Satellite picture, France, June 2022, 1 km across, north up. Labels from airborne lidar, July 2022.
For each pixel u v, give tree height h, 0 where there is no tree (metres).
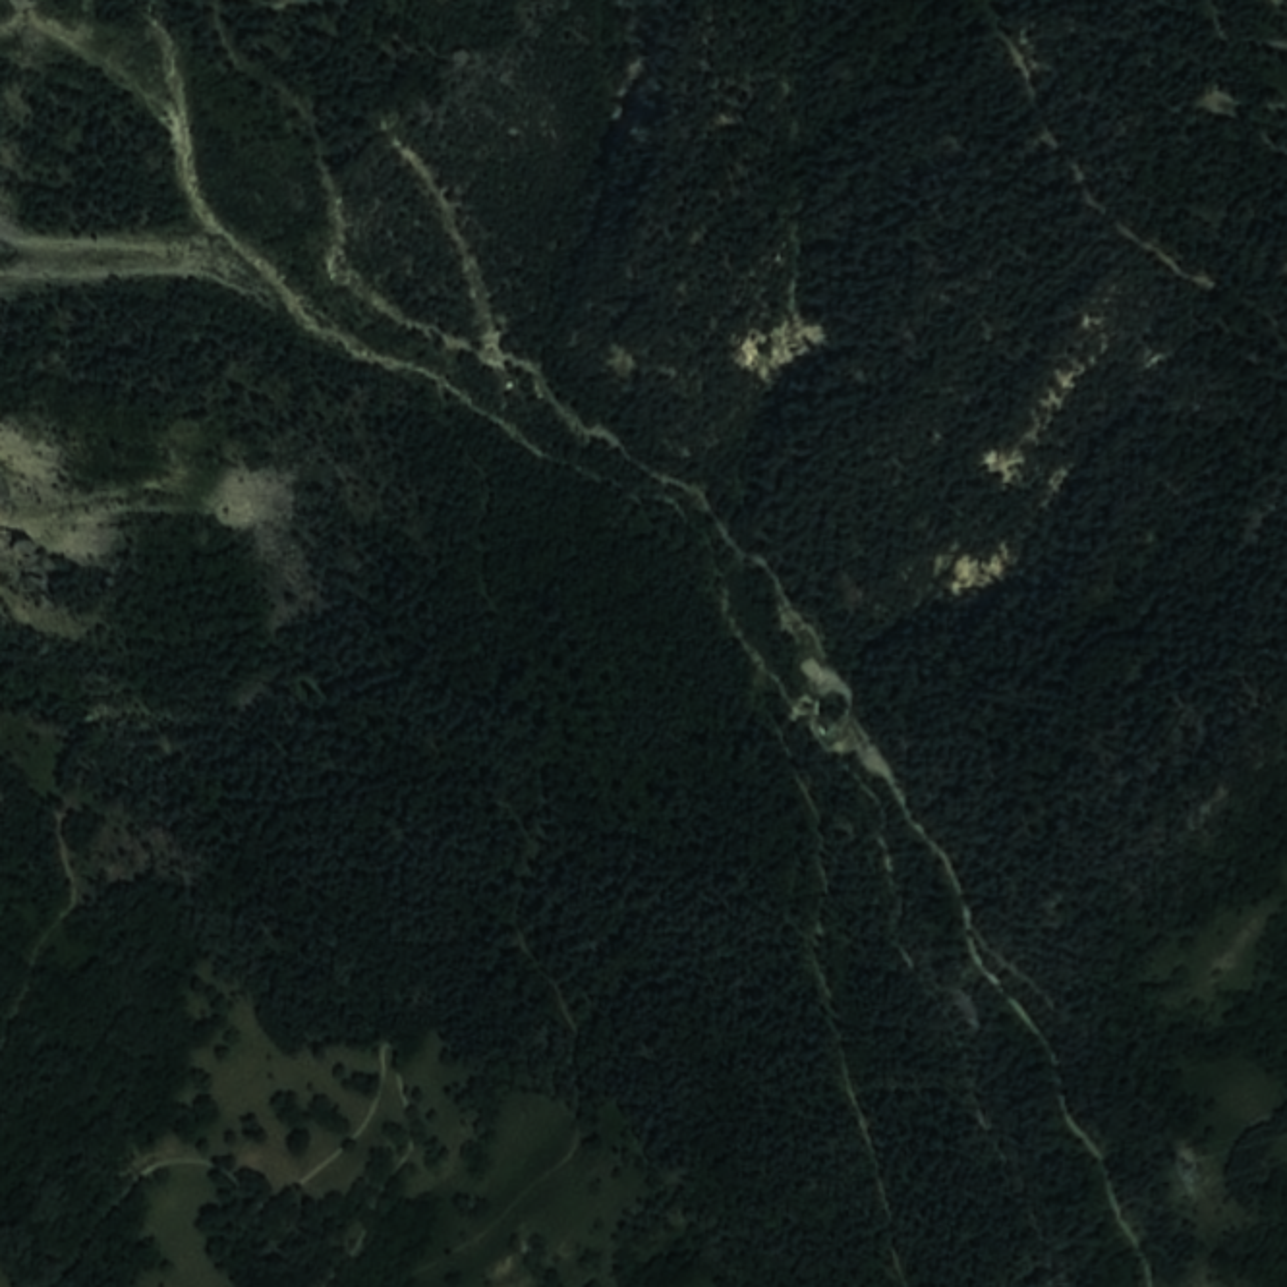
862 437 10
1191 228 25
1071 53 14
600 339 9
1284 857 13
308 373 10
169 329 26
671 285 21
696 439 12
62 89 21
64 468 7
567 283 12
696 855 21
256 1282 18
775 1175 31
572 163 12
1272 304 13
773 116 14
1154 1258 14
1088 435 13
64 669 11
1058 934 13
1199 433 19
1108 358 10
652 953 19
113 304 16
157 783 24
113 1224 19
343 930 15
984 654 22
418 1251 19
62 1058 17
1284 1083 7
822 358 24
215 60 29
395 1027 17
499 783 36
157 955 23
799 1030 20
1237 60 11
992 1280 24
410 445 12
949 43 18
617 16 15
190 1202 0
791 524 21
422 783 29
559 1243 0
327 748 29
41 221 21
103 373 27
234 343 28
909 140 14
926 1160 17
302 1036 12
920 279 16
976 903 15
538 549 22
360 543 15
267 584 7
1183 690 19
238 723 10
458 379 7
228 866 27
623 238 12
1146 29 17
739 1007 31
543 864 13
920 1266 25
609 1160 0
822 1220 9
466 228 9
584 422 12
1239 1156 15
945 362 21
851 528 24
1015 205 17
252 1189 15
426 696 38
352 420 9
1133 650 24
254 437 8
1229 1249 10
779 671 7
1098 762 21
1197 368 18
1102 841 18
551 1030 8
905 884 15
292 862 23
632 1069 21
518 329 10
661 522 15
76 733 15
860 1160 25
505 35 18
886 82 14
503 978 21
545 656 15
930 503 11
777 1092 10
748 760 43
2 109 10
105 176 30
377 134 13
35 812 14
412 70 25
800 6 11
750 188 25
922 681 9
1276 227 22
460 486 23
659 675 19
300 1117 14
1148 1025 15
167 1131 19
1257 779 10
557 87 12
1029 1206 16
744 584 6
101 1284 16
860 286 16
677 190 12
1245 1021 13
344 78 22
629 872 33
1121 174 12
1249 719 14
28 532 0
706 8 15
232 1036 11
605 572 14
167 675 17
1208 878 17
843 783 21
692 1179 15
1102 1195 10
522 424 10
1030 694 13
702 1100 17
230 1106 0
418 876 34
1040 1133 14
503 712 38
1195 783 12
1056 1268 13
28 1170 20
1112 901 9
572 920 23
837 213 11
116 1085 20
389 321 14
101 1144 22
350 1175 0
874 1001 19
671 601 20
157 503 12
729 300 17
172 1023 21
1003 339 17
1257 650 22
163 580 7
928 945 17
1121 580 7
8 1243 27
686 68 8
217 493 0
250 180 8
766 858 15
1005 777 15
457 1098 12
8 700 16
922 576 6
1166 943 14
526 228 9
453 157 10
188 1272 0
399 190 15
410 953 18
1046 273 22
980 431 16
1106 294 11
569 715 14
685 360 15
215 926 20
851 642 19
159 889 20
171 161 19
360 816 27
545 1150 0
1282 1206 14
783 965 17
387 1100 0
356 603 26
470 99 10
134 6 10
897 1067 18
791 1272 19
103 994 13
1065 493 11
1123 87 15
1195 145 11
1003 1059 21
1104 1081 10
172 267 0
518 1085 11
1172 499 23
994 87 13
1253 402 19
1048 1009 16
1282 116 8
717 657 18
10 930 16
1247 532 29
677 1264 19
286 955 8
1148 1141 16
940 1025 19
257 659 16
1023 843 16
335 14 26
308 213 7
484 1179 10
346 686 34
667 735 26
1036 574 15
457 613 21
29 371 18
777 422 10
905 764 26
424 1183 0
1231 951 0
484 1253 0
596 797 17
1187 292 18
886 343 15
